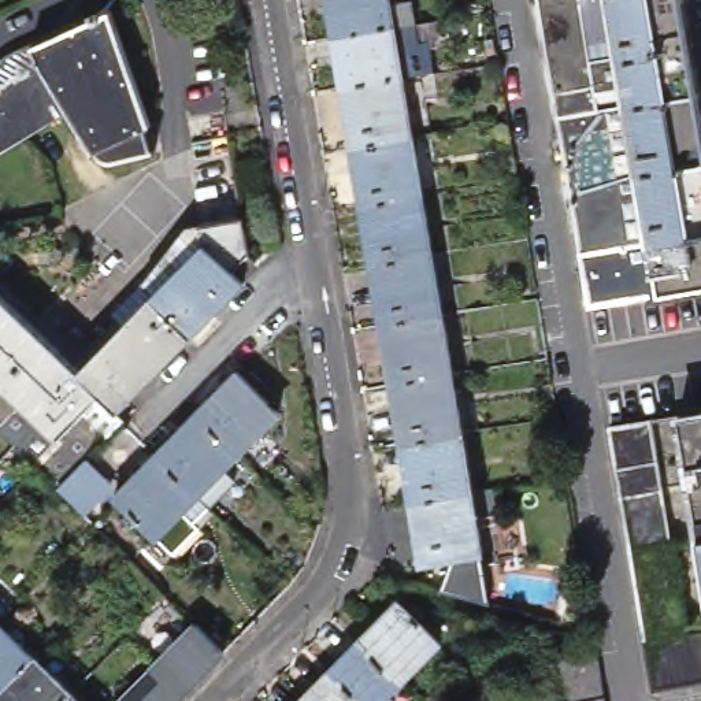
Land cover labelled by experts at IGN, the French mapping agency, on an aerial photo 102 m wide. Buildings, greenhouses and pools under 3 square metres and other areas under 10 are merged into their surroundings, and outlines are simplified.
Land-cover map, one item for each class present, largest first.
<instances>
[{"label":"impervious surface","instance_id":"1","mask_svg":"<svg viewBox=\"0 0 701 701\"><path fill-rule=\"evenodd\" d=\"M238 19L222 25L216 30V38L225 49L246 58V79L252 85L255 107H246L230 88H225V71L203 68V47L194 49L192 41L170 38L164 33L153 0H44L38 5L25 8L19 19H0V47L5 55H14L90 16L107 14L112 19L148 118V153H140V164H123L104 173L101 159H96L88 151L77 131L63 145V156L71 162L77 178L88 189L79 200L68 203L63 222H58L49 230L22 227L16 233V241L49 235L52 244L55 238H63L71 227L88 230L93 235V263L99 266L82 282L68 285V290H63L60 296H55L44 282L47 274L71 271L74 255L68 252L49 249L27 252L25 260L16 255L0 260V304L63 367L79 372L120 329L115 312L126 301H131L142 279L153 271V266L167 255V249L183 230L235 222L241 225L246 246V255L241 257V263L246 266V279H238L235 301H230L227 309H219L216 318H208L197 329L192 348H181L170 356V370H156V375L120 411V424L104 438L110 446L107 457H93L88 466H93L107 482L126 485L230 375H241L274 411L282 405L288 378L279 370H274L260 356V351L271 342V337H279L288 326L298 323L301 345L307 351L309 364V381H304V389L309 397V411L320 416L323 446L329 466L326 501L323 520L315 526L307 548L296 575L263 608L257 622L246 624L222 649L219 663L183 701H298L392 605H400L411 616V624L422 627L438 643V649L446 643V638L471 633L474 619L490 616L501 619L509 627H537L548 633L553 649H564L575 633L594 624L605 633L602 652L613 701H701V633L663 652L646 649V624L633 559L627 556V550L613 548L608 537V528L616 523V504L611 496L605 444L597 433L627 422L701 413V298H685L671 304H638L608 312L583 309L567 214L561 208L559 192L556 129L548 118V99L539 77V55L528 0H490L485 5V47H468V58L490 60V66H498L501 79H507V96L512 101L509 110L487 107V118H493L498 126L509 131V140L518 145L520 162L526 164L523 170H518V183L528 208V244L548 246V257L537 263V301L548 345L559 351V375L548 389L534 386L531 400L539 403L542 413L531 427V435L545 444L561 441L583 460V474L572 485L575 498L578 526L570 531L564 559L572 564H583L589 570L591 583H602V600H597L591 611L570 613L567 600L559 591L548 605H534L523 594H498L496 583L504 575L553 578L556 570L553 564L520 561L528 545L526 523L518 520L520 504L496 507V490H487L493 476L487 474L482 452V430L474 394L466 389V381L471 375L487 372L485 361L468 359L463 348L455 274L444 238V214L438 205L435 178L441 167L457 173V164L476 162V153H438L430 145V134H438L435 123L430 120V112L433 104L438 107L449 101L457 74L449 63H441L433 74H424L419 82L413 77H405L403 93L411 140L416 151L422 203L438 282L452 383L468 463L471 501L482 550V572L487 589V605L463 602L441 594H389L383 600H364V583L370 578L419 581L438 586L441 578L430 570H413L408 518L400 493V468L394 466L392 435L386 433L389 400L386 392H378L383 389V353L372 331L367 304L359 219L356 208L351 205L353 186L348 159L342 153L345 142L340 104L337 93L331 90L334 74L329 66V44L323 41L326 22L318 14L320 0H235ZM235 123H255L257 140H249L244 151L230 156L227 129ZM235 162H260L263 167L266 200L277 222L279 252H263V246L252 235L246 211L235 197ZM687 41V63L693 71L701 120V0H679ZM249 455L257 457L260 466H268L279 452L271 438L255 441ZM230 482L244 490L252 487V482L257 479L244 466H230L227 471ZM137 512L129 509L120 515L115 509L112 528L140 553L142 548H148V537L140 534L134 526ZM186 627L178 616V611L164 600L153 602L151 613L140 624V633L156 646L164 641V635L178 638Z\"/></svg>","mask_w":701,"mask_h":701},{"label":"building","instance_id":"2","mask_svg":"<svg viewBox=\"0 0 701 701\"><path fill-rule=\"evenodd\" d=\"M435 5V0H320L318 14L326 22L323 41L329 44V66L334 74L331 90L337 93L340 104L345 142L342 153L348 159L353 186L351 205L356 208L359 219L367 304L372 331L383 353V389L378 392H386L389 400L386 433L392 435L394 466L400 468V493L408 518L413 570H430L441 578L438 586L441 594L463 602L487 605V589L482 572V550L471 501L468 463L452 383L438 282L422 203L416 151L411 140L403 93L405 77H413L419 82L424 74H433L430 55L435 52V47H444L449 41V36L438 33L433 16L427 14ZM539 55V77L548 99V118L556 129L559 192L561 208L567 214L583 309L608 312L638 304H671L685 298H701V120L693 71L687 63V41L679 0H528ZM60 118H66L77 131L88 151L96 159H101L104 173L123 164H140V153H148V118L112 19L107 14L90 16L14 55H5L0 47V153L14 148L16 142H30L41 134V126H49ZM246 255V246L241 225L235 222L183 230L167 249V255L153 266V271L142 279L131 301H126L115 312L120 329L79 372L63 367L0 304V435L19 452H33L52 471V476L58 482V493L66 501L82 515L99 512L101 504H112L115 509L120 515L129 509L137 512L134 526L140 534L148 537V548H142L140 553L153 570L162 572L170 559H181L183 553L200 545V534L208 515L219 518L230 512L227 504L233 498H241L244 490L230 482L227 471L230 466H244V455H249L255 441L271 438V427L277 424L274 411L241 375H230L126 485L107 482L93 466H88L93 457H107L110 446L104 438L120 424V411L156 375V370H170V356L181 348H192L197 329L208 318H216L219 309H227L230 301H235L238 279H246V266L241 263V257ZM605 444L611 496L616 504V523L608 528V537L613 548L627 550V556L633 559V545L671 542V523L682 520L687 528L693 597L701 613V413L627 422L597 433ZM438 649V643L422 627L411 624V616L400 605H392L298 701H408L403 696V685L424 663L435 657ZM159 657L153 663L131 665L115 685H107L110 701H183L219 663L222 649L205 638L203 630L186 627L178 638L164 635V641L156 646ZM0 701H77L38 660H33L19 643H14L0 630ZM561 679L570 693L567 701H613L602 652H597V660L586 665L561 663Z\"/></svg>","mask_w":701,"mask_h":701},{"label":"herbaceous vegetation","instance_id":"3","mask_svg":"<svg viewBox=\"0 0 701 701\"><path fill-rule=\"evenodd\" d=\"M490 0H474L471 19H466L460 36H485V5ZM77 131L66 118H60L49 126H41V134L30 142H16L14 148L0 153V203L30 205L55 197V189L52 183H47L44 175V156L49 162H60L68 203L79 200L88 189L77 178L71 162L63 156V145ZM498 126L493 118H487L476 120V126L457 129L452 134H430V145L438 153H476L496 145L493 129ZM435 178L438 205L444 214V238L455 274L463 348L468 359L485 361L487 372L534 364V386L548 389L559 375V351L548 345L537 301H526L518 296L515 279L504 285H490L485 279L490 266L515 263L520 255L528 252V233L520 235L501 216L504 200L493 189H501L509 178L479 167L476 162L457 164V173L441 167ZM260 356L274 370H279L288 378L282 405L274 411L277 424L271 427V438L279 452L288 455V460L298 471H309L320 468L318 446H323L320 416L309 411V397L304 389V381H309V364L307 351L301 345L298 323L288 326L279 337H271V342L260 351ZM534 386L482 389L474 394L482 430V452L487 474L493 476L487 490H496V507L520 504L518 520L526 523L528 545L520 561L553 564L556 570L564 564V559L570 531L578 526L575 498L559 501L550 487L528 490L531 476L526 474V449L531 435V427L542 413L539 403L531 400ZM25 463L38 468L44 476H52V471L33 452H19L0 435V493L11 487V479L5 476L3 466ZM230 512L246 528H252L268 548H277L282 534H290L296 550L307 548L315 526L323 520L326 501H290L282 498L263 479H257L252 482V487L244 490L241 498H233L227 504ZM68 531L77 537V542L68 548L71 556H79L85 564H99L110 559L107 545L90 542L96 528H88L82 523V515L66 501L58 512L47 507L41 515L0 512V630L14 643H19L33 660H38L77 701H110L107 685L96 679L88 671V665H82V660L74 654V635L68 633V627L52 622V570L58 567L55 548L60 537ZM214 564L225 567L222 589L194 581L197 567ZM263 567L260 556L219 518L208 515L200 534V545L183 553L181 559H170L162 572L167 583L183 600L192 602L186 613L178 616L186 627L203 630L205 638L222 649L246 624L257 622L263 608L252 605V597L257 591L255 575ZM633 559L646 624V649L663 652L701 633V613L693 597L687 528L682 520L671 523V542L633 545Z\"/></svg>","mask_w":701,"mask_h":701},{"label":"brushwood","instance_id":"4","mask_svg":"<svg viewBox=\"0 0 701 701\"><path fill-rule=\"evenodd\" d=\"M44 0H0V19H19L25 8L38 5ZM474 0H435V5L427 14L433 16L438 33L449 36V41L444 47H435V52L430 55L433 74L441 63H449L457 74L449 101L438 107L433 104L430 112V120L435 123L438 134H452L457 129L476 126V120L487 118V107L509 110L512 101L507 96V79H501L498 66H490V60L468 58V47H485V36H460L466 19H471ZM249 140H257L255 123H235L227 129L230 156L244 151ZM496 145L476 153V162L479 167L509 178L501 189H493L504 200L501 216L520 235L528 233V208L518 183V170H523L526 164L520 162L518 145L509 140V131L498 126L493 129ZM44 175L47 183H52L55 189V197L30 205L0 203V260L16 255L25 260L27 252L49 249L68 252L74 255L71 271L47 274L44 282L55 296H60L63 290H68V285L82 282L99 266L93 263V235L88 230L71 227L63 238H55L52 244L49 235L16 241V233L22 227L49 230L58 222H63L68 203L60 162H49L44 156ZM235 197L246 211L252 235L263 246V252H279L277 222L266 200L263 167L260 162H235ZM548 257V246L528 244V252L520 255L515 263L490 266L485 279L490 285H504L515 279L518 296L526 301H537V263ZM534 364L487 372L471 375L466 381V389L474 394L482 389L534 386ZM320 468L309 471H298L288 460V455L279 452L268 466H260L257 457L249 455H244V466L257 479H263L282 498L290 501H326L329 466L323 446H318ZM5 476L11 479V487L0 493V512L41 515L47 507L58 512L66 501L58 493V482L52 476H44L38 468L25 463L3 466ZM115 509L112 504H101L99 512L82 515V523L88 528H96L90 542L107 545L110 559L99 564H85L79 556H71L68 548L77 542V537L68 531L60 537L55 548L58 567L52 570V583L60 589L68 586L85 591L88 583L104 581L107 575L126 570L131 564L145 581H151L159 589L164 600L178 611V616L186 613L192 602L183 600L167 583L162 572L153 570L140 553L112 528ZM260 556L263 567L255 575L257 591L252 597V605L263 608L296 575L307 548L296 550L290 534H282L277 548H268L252 528H246L230 512L219 518ZM194 581L222 589L225 567L214 564L197 567ZM389 594H441L438 586L419 581L370 578L364 583V600H383Z\"/></svg>","mask_w":701,"mask_h":701},{"label":"deciduous trees","instance_id":"5","mask_svg":"<svg viewBox=\"0 0 701 701\"><path fill-rule=\"evenodd\" d=\"M164 33L170 38L192 41L194 49L203 47V68L225 71V88H230L246 107H255L252 85L246 79V58L225 49L216 38V30L222 25L238 19L235 0H153ZM526 474L531 476L528 490L550 487L559 501L575 498L572 485L583 474V460L561 441L545 444L531 435L526 449ZM559 591L567 600L570 613L591 611L597 600H602V583H591L589 570L583 564H572L564 559V564L556 570L553 578ZM164 600L159 589L151 581H145L131 564L126 570L107 575L104 581L88 583L85 591L68 586L60 589L52 583V622L68 627V633L74 635V654L82 660V665H88V671L96 679L107 685H115L131 665L153 663L159 657L156 646L140 633V624L151 613L153 602ZM605 633L594 624L575 633L564 649H553L548 633L537 627H509L501 619L490 616L474 619L471 633L446 638V643L438 649L435 657L424 663L403 685V696L408 701H567L570 693L561 679V663L586 665L597 660V652H602Z\"/></svg>","mask_w":701,"mask_h":701},{"label":"swimming pool","instance_id":"6","mask_svg":"<svg viewBox=\"0 0 701 701\"><path fill-rule=\"evenodd\" d=\"M498 594H523L534 605H548L559 591L553 578L504 575L496 583Z\"/></svg>","mask_w":701,"mask_h":701}]
</instances>
